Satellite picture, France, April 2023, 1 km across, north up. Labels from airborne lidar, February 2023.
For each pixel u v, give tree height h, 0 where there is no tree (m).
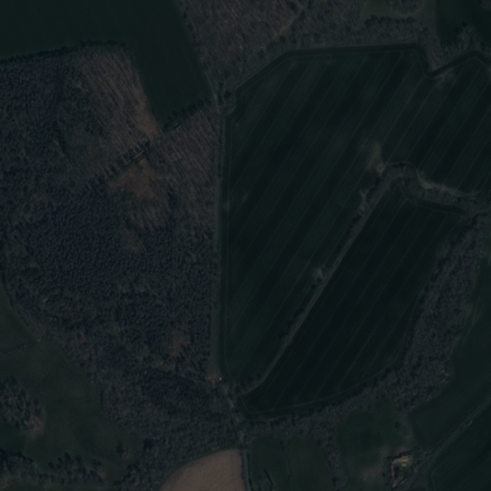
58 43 0
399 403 7
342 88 0
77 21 0
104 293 25
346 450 0
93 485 21
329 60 0
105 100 28
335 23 23
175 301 25
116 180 30
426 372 20
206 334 23
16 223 17
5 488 20
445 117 0
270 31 24
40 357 0
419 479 13
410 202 0
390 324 0
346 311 0
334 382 0
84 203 24
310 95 0
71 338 22
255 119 0
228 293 0
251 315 0
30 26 0
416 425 0
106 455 0
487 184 0
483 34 0
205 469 0
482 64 0
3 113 26
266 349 0
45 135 26
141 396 17
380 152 0
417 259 0
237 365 0
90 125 26
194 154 28
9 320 0
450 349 12
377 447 0
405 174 17
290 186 0
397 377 8
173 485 0
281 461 0
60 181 23
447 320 16
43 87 24
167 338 21
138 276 26
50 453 0
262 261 0
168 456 18
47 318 15
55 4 0
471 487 0
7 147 26
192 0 16
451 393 0
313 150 0
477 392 0
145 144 24
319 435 17
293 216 0
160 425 17
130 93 26
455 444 0
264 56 21
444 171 0
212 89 0
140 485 15
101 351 22
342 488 14
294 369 0
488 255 0
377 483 0
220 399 14
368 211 17
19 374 0
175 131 26
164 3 0
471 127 0
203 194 27
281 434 20
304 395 0
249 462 9
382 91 0
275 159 0
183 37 0
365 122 0
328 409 17
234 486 0
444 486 0
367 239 0
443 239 0
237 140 0
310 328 0
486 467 0
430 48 23
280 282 0
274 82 0
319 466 0
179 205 27
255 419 0
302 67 0
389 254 0
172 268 27
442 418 0
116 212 28
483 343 0
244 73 12
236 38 16
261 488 11
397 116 0
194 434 15
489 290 0
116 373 19
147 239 27
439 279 17
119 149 25
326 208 0
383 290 0
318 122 0
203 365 20
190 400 16
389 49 0
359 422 0
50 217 16
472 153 0
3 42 0
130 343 9
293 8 20
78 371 0
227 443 16
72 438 0
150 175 33
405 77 0
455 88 0
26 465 31
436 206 0
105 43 0
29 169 22
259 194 0
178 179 29
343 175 0
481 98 0
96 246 25
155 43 0
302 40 17
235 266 0
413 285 0
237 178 0
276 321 0
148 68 0
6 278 23
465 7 0
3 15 0
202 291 22
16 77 28
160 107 0
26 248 26
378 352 0
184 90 0
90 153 20
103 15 0
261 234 0
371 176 0
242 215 0
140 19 0
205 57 23
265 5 20
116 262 26
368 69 0
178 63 0
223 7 20
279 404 0
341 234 0
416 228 0
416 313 0
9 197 24
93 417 0
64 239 29
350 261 0
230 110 7
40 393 0
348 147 0
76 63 26
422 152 0
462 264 22
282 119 0
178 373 14
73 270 25
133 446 0
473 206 22
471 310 0
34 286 8
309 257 0
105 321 6
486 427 0
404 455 0
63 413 0
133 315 26
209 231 22
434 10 0
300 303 0
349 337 0
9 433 0
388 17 0
